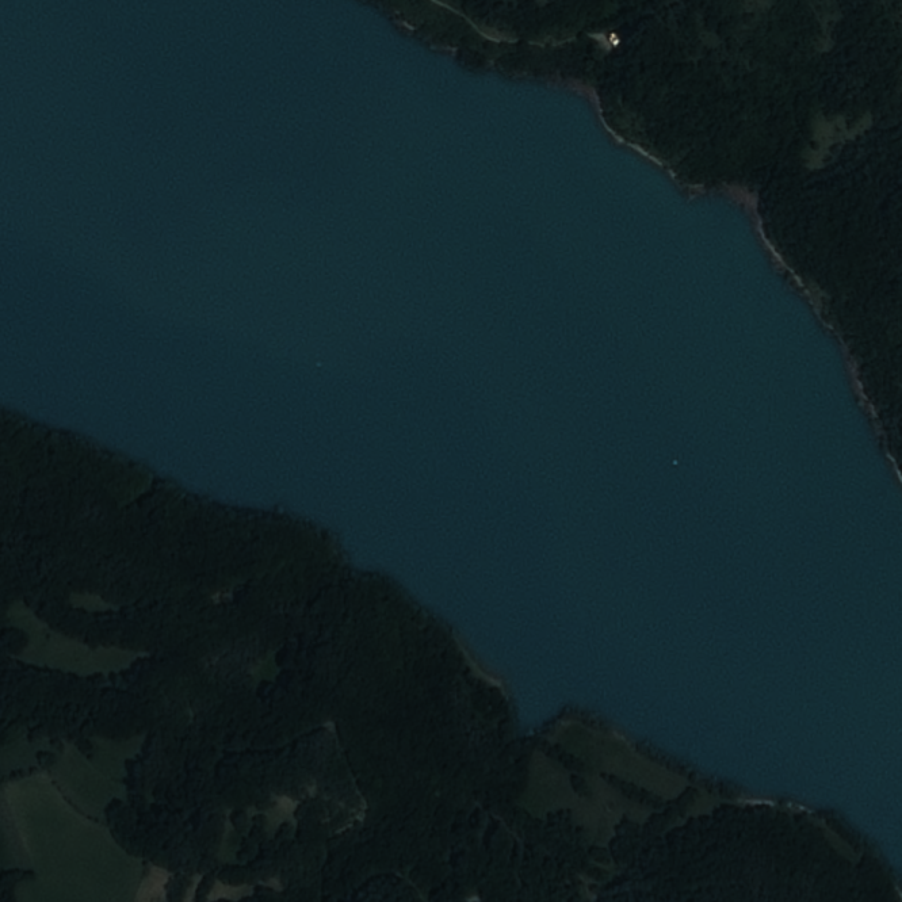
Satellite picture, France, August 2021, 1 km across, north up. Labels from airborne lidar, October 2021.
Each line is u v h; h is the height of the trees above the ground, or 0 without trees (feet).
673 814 43
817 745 0
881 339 45
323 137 0
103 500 39
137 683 70
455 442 0
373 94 0
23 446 95
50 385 0
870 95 35
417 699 106
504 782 86
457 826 90
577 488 0
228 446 0
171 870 44
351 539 0
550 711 0
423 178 0
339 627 100
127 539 63
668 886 89
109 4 0
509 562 0
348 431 0
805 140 22
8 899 35
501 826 80
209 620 67
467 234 0
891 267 53
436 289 0
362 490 0
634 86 60
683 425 0
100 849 0
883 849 0
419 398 0
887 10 20
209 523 89
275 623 83
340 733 45
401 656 62
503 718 18
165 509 97
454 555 0
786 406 0
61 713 73
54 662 0
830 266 61
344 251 0
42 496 90
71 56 0
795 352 0
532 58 43
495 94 0
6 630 46
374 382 0
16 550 58
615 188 0
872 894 63
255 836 41
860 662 0
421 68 0
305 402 0
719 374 0
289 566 51
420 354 0
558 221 0
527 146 0
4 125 0
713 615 0
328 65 0
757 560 0
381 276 0
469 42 25
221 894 0
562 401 0
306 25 0
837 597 0
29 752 0
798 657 0
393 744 62
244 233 0
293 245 0
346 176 0
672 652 0
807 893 66
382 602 43
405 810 67
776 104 43
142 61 0
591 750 0
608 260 0
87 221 0
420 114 0
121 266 0
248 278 0
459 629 0
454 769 83
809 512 0
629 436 0
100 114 0
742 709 0
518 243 0
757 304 0
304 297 0
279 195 0
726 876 59
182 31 0
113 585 56
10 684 98
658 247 0
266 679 0
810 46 24
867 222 55
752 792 0
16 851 0
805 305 0
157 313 0
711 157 36
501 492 0
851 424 0
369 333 0
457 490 0
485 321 0
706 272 0
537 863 54
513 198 0
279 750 38
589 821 0
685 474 0
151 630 66
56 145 0
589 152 0
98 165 0
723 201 0
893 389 35
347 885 94
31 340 0
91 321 0
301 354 0
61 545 63
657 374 0
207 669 24
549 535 0
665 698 0
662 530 0
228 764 82
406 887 43
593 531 0
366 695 60
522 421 0
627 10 40
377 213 0
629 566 0
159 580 61
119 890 0
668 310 0
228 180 0
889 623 0
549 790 0
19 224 0
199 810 69
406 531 0
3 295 0
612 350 0
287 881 43
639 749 29
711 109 53
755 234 0
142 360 0
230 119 0
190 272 0
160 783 77
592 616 0
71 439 72
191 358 0
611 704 0
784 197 66
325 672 83
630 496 0
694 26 21
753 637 0
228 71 0
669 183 0
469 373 0
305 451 0
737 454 0
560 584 0
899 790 0
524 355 0
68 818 0
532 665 0
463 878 81
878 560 0
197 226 0
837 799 0
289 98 0
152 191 0
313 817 43
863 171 90
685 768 24
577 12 64
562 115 0
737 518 0
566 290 0
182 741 58
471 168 0
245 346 0
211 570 58
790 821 45
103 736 65
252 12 0
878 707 0
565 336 0
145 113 0
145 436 0
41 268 0
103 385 0
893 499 0
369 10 0
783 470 0
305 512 0
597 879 32
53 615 64
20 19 0
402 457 0
